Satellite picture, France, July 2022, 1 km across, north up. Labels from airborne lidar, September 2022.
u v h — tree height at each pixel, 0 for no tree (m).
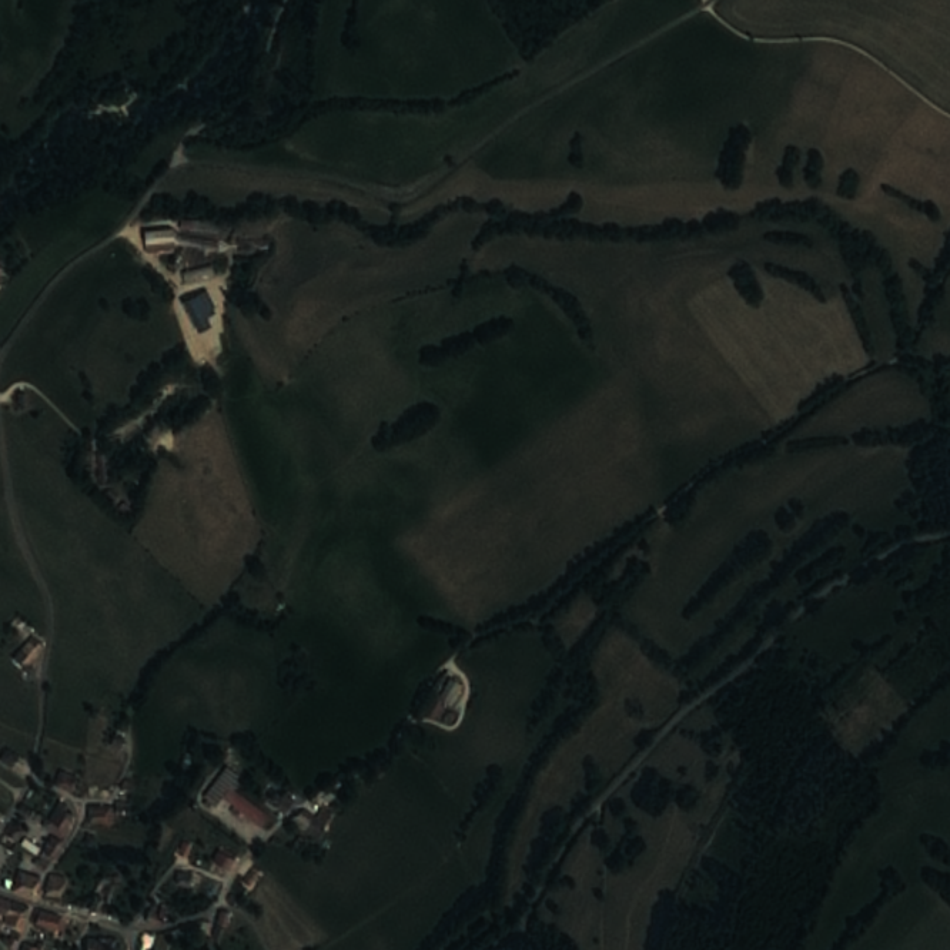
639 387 0
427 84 0
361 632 0
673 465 0
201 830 0
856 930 12
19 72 0
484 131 0
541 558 0
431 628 14
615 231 16
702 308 0
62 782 0
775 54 0
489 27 0
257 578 15
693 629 0
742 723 9
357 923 0
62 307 0
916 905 0
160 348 0
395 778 0
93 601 0
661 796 16
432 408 17
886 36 0
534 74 0
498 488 0
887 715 0
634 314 0
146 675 14
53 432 0
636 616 0
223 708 0
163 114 23
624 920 0
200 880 0
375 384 0
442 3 0
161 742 0
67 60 18
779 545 0
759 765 11
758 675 9
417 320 0
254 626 14
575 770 0
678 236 18
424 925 0
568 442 0
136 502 15
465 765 0
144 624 0
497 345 0
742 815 25
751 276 15
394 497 0
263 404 0
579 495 0
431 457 0
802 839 6
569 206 9
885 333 0
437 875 0
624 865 16
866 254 15
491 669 0
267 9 34
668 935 28
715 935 9
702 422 0
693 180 0
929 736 0
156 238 0
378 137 0
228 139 11
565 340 0
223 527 0
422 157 0
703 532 0
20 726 0
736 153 23
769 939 12
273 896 0
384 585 0
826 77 0
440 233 0
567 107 0
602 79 0
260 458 0
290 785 12
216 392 18
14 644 0
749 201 0
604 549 17
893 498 0
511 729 0
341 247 0
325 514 0
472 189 0
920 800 0
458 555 0
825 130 0
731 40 0
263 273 0
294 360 0
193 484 0
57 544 0
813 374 0
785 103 0
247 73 25
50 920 0
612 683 0
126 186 16
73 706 0
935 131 0
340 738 0
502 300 0
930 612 9
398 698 0
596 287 0
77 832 0
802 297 0
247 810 0
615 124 0
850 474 0
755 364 0
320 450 0
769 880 6
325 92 0
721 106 0
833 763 18
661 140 0
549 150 0
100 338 0
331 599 0
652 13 0
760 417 0
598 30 0
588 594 7
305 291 0
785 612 25
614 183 0
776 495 0
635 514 0
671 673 18
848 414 0
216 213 19
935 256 0
